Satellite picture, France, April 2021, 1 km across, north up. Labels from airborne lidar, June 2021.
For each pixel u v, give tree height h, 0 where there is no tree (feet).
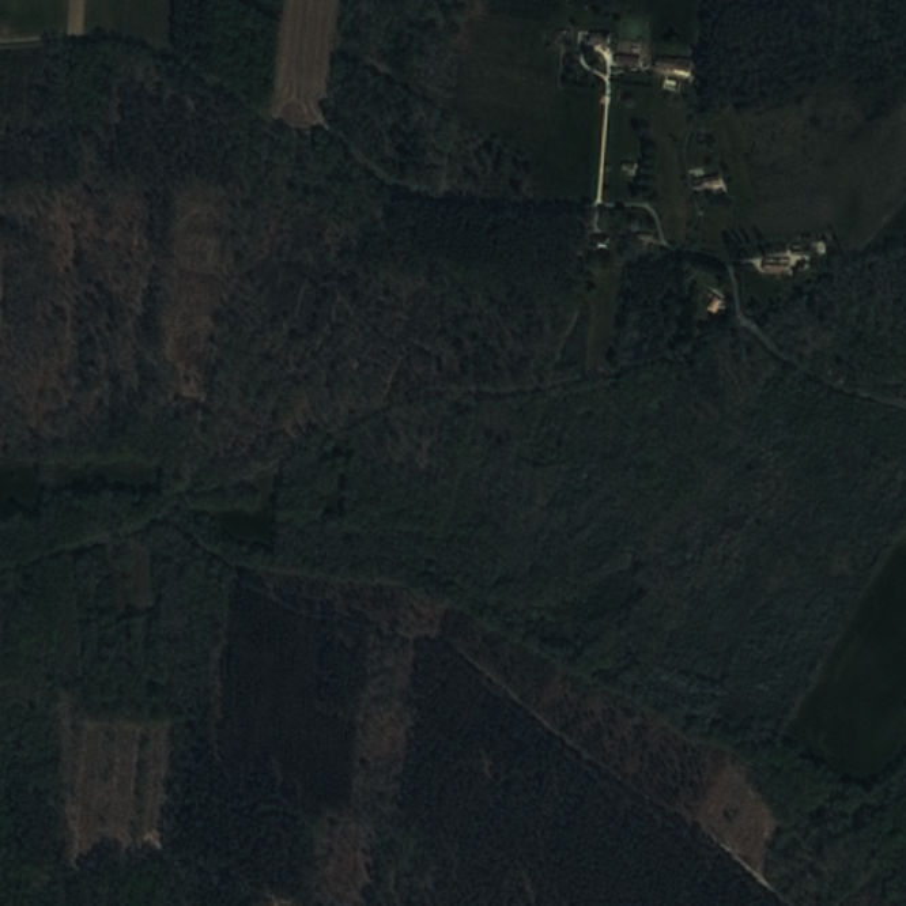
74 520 64
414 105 46
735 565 36
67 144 79
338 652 61
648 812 55
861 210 0
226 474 58
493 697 51
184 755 67
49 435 26
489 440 51
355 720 36
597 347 0
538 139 0
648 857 66
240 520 0
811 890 71
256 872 76
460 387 74
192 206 0
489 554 75
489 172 66
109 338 50
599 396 63
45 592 61
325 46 0
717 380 71
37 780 48
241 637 31
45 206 47
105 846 33
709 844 51
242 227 46
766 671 19
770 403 21
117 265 50
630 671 70
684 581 39
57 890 43
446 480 57
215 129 89
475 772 76
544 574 69
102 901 66
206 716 71
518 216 65
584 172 0
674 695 22
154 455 68
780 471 37
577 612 26
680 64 0
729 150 0
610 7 58
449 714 60
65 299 31
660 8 0
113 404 38
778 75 45
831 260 51
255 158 57
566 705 26
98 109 57
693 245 27
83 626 38
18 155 80
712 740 53
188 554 67
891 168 0
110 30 0
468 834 65
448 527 66
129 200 64
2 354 28
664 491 73
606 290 0
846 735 0
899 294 65
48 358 48
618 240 30
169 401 32
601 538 30
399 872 25
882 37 30
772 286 0
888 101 0
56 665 40
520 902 64
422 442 49
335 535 55
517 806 58
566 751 62
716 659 23
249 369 66
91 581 56
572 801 62
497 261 67
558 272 65
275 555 50
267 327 56
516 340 56
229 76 65
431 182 61
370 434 53
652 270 63
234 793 71
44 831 90
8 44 0
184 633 52
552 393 61
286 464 63
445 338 42
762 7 78
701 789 33
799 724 0
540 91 0
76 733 43
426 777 68
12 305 19
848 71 66
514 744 61
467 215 67
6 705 41
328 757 32
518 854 74
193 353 0
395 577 66
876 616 0
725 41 60
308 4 0
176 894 86
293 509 84
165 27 0
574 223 69
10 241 26
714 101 69
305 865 80
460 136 26
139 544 52
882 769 0
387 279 27
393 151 27
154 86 53
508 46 0
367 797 43
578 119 0
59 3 0
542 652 61
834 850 82
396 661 44
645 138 31
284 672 40
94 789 0
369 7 70
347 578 47
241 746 43
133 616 58
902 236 0
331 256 47
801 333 53
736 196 34
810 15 51
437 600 76
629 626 52
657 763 19
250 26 62
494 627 74
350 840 43
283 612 38
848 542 21
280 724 41
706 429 47
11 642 53
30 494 0
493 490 50
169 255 82
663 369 68
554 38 0
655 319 56
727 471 20
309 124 0
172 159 80
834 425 19
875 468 31
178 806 77
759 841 0
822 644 24
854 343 37
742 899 75
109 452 83
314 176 32
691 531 38
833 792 42
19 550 72
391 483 61
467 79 0
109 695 77
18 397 66
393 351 31
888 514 26
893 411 26
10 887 51
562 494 23
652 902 73
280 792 73
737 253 56
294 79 0
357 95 75
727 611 18
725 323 45
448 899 75
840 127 0
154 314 74
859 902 20
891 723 0
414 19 44
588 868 70
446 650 63
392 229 68
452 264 54
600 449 27
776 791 78
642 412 41
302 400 49
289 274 0
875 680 0
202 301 0
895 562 0
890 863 70
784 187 0
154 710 68
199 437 61
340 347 26
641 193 59
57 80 70
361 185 63
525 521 58
